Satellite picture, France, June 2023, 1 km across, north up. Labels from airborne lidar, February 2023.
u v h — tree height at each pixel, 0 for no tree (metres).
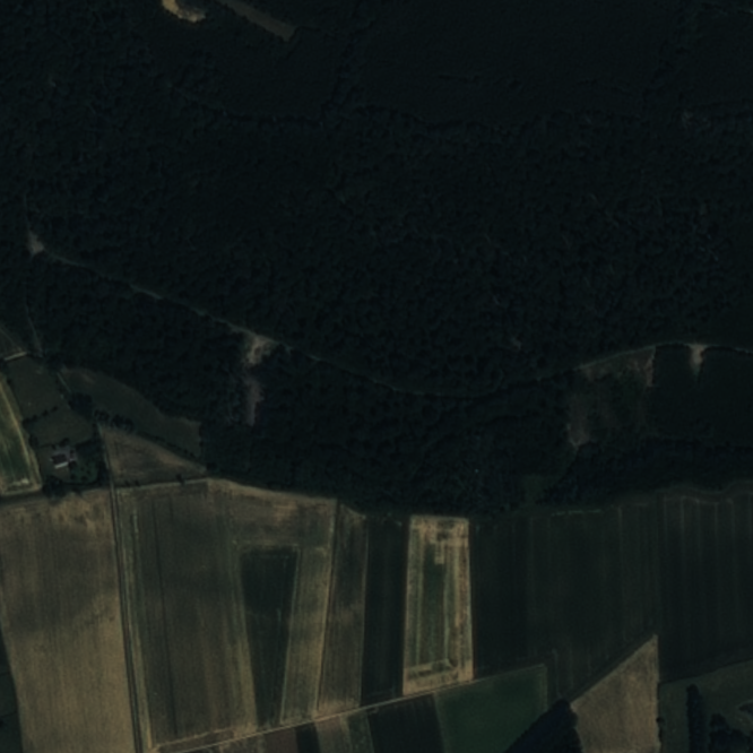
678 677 0
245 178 21
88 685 0
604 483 25
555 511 0
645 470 22
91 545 0
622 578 0
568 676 0
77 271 20
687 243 23
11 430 0
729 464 21
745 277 22
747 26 9
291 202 24
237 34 14
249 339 0
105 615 0
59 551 0
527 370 24
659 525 0
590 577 0
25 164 22
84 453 12
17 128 23
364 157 21
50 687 0
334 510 0
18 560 0
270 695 0
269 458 7
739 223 12
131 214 22
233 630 0
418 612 0
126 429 14
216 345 25
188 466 0
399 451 26
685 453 22
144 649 0
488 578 0
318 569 0
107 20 19
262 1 12
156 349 21
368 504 24
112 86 22
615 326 24
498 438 24
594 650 0
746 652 0
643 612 0
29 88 24
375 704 0
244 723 0
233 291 25
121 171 27
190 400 13
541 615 0
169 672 0
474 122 21
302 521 0
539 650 0
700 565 0
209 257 23
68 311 18
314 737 0
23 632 0
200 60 19
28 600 0
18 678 0
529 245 27
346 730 0
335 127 23
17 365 0
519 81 12
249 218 22
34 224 18
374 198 24
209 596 0
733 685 0
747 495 0
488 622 0
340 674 0
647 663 0
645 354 0
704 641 0
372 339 25
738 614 0
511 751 0
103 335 19
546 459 20
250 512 0
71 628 0
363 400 24
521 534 0
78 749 0
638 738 0
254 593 0
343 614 0
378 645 0
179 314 21
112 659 0
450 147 23
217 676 0
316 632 0
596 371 0
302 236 24
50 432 0
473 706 0
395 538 0
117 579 0
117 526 0
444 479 24
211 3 11
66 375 0
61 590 0
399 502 25
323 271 26
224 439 8
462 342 26
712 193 24
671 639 0
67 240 19
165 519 0
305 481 21
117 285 20
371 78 11
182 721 0
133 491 0
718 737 15
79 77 21
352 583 0
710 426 20
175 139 26
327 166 23
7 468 0
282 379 24
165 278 24
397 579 0
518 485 19
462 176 22
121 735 0
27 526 0
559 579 0
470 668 0
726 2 15
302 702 0
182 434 0
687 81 18
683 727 0
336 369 13
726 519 0
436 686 0
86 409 18
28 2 20
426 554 0
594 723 0
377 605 0
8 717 0
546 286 27
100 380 0
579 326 26
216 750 0
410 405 23
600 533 0
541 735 27
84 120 23
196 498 0
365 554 0
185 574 0
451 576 0
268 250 26
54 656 0
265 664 0
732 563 0
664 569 0
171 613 0
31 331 10
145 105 22
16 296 21
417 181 24
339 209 23
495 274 27
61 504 0
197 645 0
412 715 0
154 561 0
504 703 0
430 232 25
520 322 24
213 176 21
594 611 0
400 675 0
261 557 0
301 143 23
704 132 20
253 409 0
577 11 10
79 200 25
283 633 0
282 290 24
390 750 0
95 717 0
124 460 0
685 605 0
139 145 23
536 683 0
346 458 22
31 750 0
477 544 0
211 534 0
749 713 0
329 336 23
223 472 9
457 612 0
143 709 0
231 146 21
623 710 0
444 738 0
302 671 0
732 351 12
